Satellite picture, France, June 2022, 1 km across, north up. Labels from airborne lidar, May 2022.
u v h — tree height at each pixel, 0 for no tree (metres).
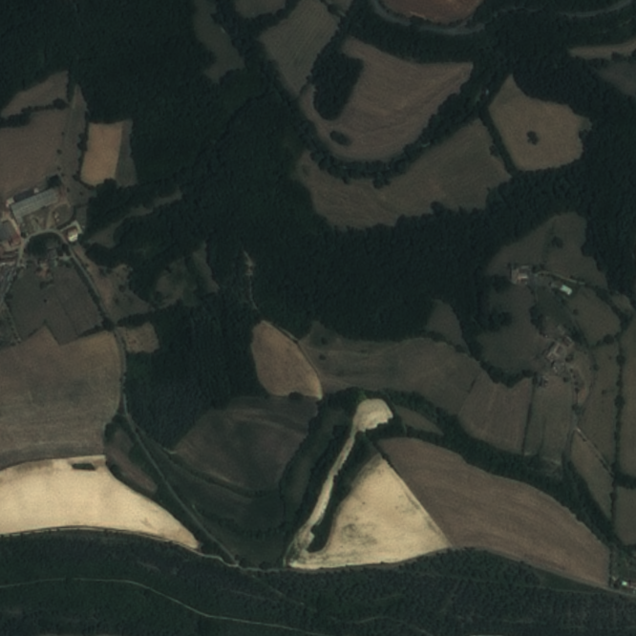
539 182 19
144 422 14
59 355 0
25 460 0
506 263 0
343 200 0
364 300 18
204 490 0
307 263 21
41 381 0
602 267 18
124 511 0
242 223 13
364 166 12
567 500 7
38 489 0
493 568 13
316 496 7
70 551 12
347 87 16
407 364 0
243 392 13
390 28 12
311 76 7
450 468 0
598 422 0
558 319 0
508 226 20
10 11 22
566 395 0
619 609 7
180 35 23
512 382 8
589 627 12
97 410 0
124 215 11
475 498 0
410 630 13
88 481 0
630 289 32
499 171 0
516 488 0
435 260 22
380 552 0
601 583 0
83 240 12
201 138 11
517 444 0
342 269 24
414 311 16
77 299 0
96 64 15
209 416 0
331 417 0
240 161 19
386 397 6
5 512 0
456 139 0
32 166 0
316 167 0
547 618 9
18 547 13
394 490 0
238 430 0
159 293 12
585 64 19
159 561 13
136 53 22
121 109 9
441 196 0
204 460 0
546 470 0
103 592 6
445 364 0
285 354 0
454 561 12
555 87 24
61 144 0
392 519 0
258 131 21
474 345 17
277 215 17
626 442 0
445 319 0
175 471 0
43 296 0
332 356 0
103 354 0
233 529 6
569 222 0
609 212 13
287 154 11
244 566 14
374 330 16
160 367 14
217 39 0
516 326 0
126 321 11
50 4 16
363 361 0
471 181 0
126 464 0
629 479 13
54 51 9
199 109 18
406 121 0
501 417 0
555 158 0
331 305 19
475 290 18
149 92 16
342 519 0
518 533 0
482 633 10
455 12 0
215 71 0
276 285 24
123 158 0
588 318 0
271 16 17
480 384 0
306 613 11
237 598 8
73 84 10
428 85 0
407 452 0
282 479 6
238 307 13
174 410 18
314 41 0
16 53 15
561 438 0
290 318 14
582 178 19
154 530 0
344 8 0
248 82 0
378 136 0
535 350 0
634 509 0
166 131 15
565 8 18
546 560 0
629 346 0
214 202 22
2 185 0
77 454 0
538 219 17
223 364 26
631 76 0
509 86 0
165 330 6
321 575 12
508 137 0
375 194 0
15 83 14
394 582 11
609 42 9
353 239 24
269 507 0
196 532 9
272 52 0
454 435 9
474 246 22
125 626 12
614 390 0
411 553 0
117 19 16
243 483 0
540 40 23
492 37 7
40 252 6
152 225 15
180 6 26
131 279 15
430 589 10
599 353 0
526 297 0
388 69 0
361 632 13
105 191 8
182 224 20
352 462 7
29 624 18
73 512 0
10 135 0
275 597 11
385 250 25
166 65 24
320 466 14
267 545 0
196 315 29
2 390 0
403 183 0
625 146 16
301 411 0
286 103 15
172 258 15
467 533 0
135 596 7
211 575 13
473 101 17
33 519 0
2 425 0
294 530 6
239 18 24
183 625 10
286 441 0
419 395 9
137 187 15
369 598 14
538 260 0
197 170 19
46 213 0
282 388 0
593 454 0
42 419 0
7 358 0
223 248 17
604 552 0
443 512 0
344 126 0
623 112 22
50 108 9
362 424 0
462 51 14
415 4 0
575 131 0
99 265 10
